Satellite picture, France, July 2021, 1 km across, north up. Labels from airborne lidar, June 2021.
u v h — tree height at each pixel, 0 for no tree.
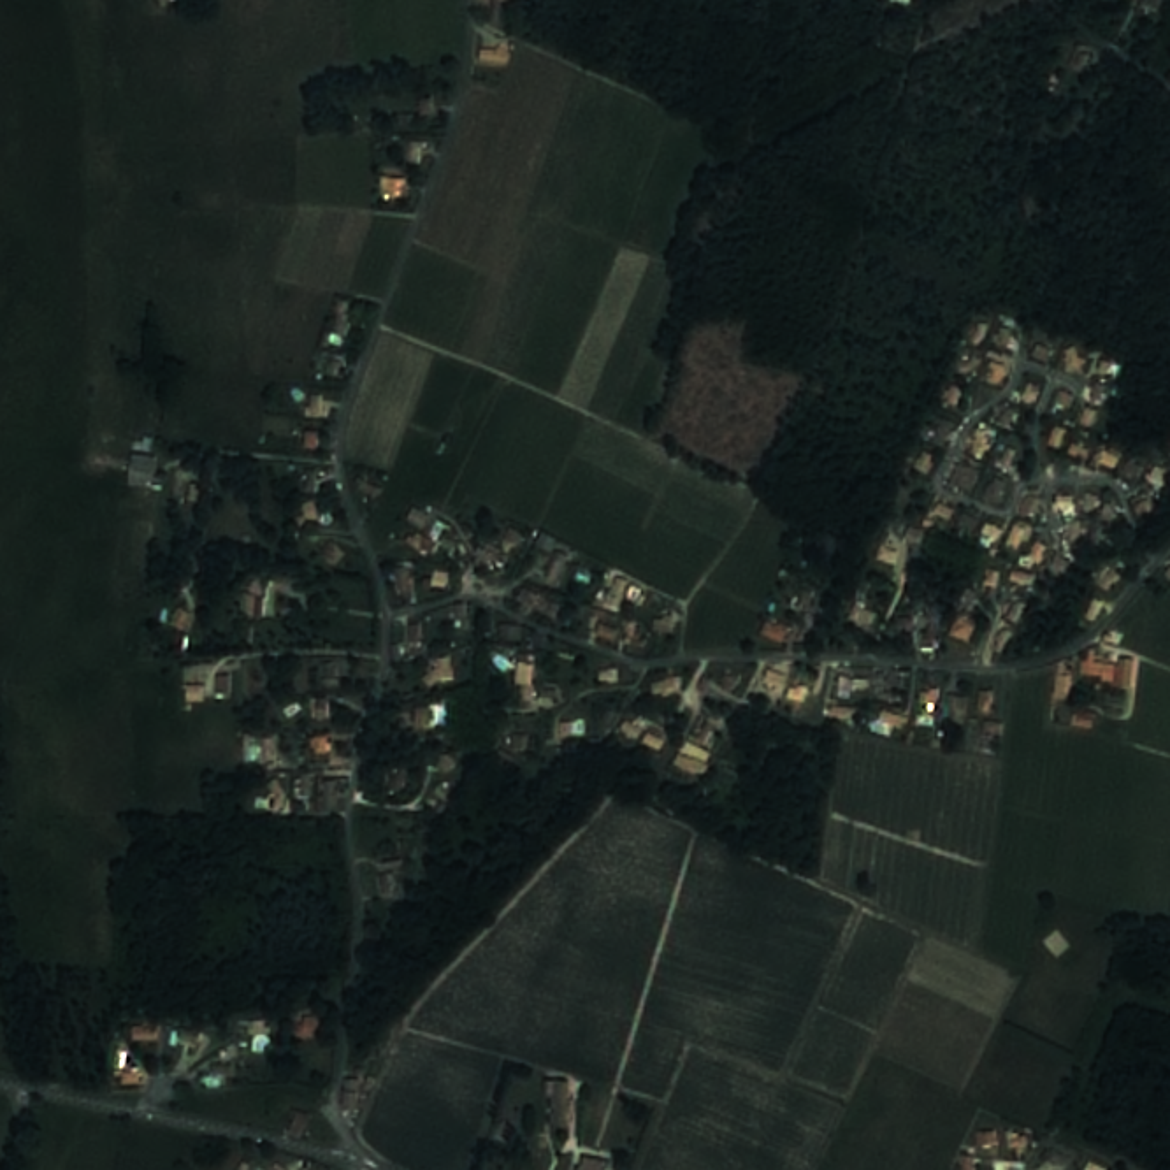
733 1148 0
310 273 0
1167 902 0
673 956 0
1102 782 0
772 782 16
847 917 0
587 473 0
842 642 8
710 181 14
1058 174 23
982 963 0
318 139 0
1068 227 18
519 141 0
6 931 15
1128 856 0
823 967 0
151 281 0
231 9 0
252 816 10
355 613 0
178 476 0
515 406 0
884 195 10
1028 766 0
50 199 0
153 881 10
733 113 14
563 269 0
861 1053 0
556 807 15
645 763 7
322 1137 0
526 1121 11
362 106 0
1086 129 17
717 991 0
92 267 0
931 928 0
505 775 8
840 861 0
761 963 0
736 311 10
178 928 13
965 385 13
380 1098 0
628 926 0
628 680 0
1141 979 12
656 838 0
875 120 9
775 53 20
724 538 0
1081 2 19
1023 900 0
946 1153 0
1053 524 0
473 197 0
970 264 18
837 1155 0
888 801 0
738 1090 0
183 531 15
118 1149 0
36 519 0
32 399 0
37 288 0
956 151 12
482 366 0
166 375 11
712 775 8
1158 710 0
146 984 11
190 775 0
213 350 0
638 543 0
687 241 14
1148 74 11
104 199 0
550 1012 0
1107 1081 16
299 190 0
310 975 19
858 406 10
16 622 0
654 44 20
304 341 0
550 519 0
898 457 11
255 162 0
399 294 0
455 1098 0
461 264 0
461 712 9
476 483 0
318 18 0
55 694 0
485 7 8
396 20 0
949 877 0
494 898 13
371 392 0
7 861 0
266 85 0
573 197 0
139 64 0
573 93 0
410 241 0
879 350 21
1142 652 0
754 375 24
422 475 0
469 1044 0
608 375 0
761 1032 0
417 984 13
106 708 0
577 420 0
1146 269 21
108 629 0
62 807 0
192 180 0
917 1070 0
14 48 0
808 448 15
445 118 12
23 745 0
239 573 8
